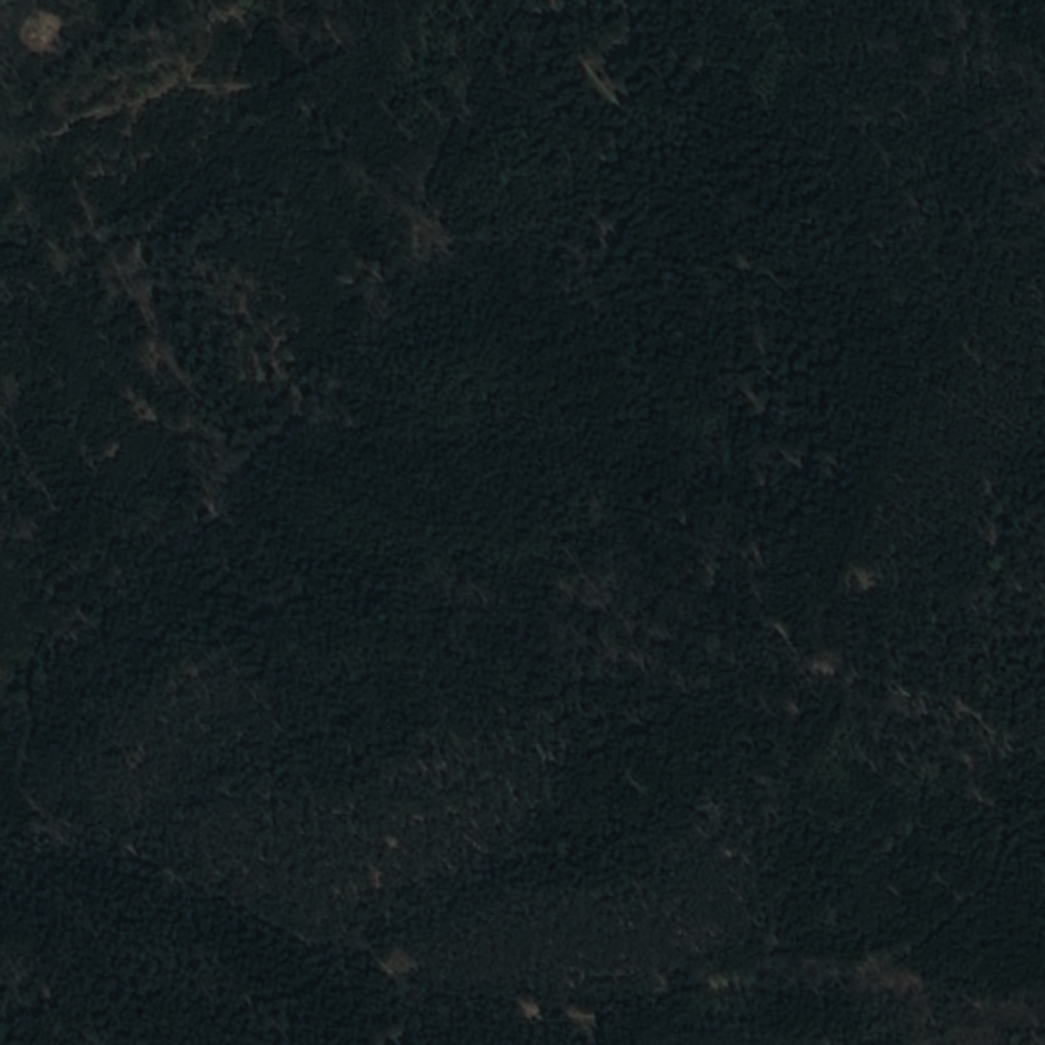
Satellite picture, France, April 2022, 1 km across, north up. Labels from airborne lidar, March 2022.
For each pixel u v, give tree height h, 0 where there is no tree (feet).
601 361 75
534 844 78
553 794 77
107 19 40
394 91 87
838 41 78
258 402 46
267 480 69
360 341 68
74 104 30
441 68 91
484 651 63
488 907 65
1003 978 34
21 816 75
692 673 81
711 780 81
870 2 70
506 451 73
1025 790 71
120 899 111
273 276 35
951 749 61
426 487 61
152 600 92
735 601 81
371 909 82
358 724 81
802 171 83
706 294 93
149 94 63
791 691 82
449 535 59
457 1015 97
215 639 45
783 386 72
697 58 78
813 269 78
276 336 21
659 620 97
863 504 92
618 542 71
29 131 55
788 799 68
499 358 59
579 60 87
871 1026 33
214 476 85
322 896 65
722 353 117
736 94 87
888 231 68
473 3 81
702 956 62
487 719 83
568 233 72
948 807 63
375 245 41
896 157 80
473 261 79
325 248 40
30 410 73
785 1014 62
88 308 35
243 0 82
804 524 81
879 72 77
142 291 102
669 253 89
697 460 79
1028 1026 28
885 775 65
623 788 71
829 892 27
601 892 75
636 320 64
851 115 71
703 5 73
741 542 91
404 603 83
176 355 42
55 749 75
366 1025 78
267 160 40
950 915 57
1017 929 61
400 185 69
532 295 72
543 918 63
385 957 81
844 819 67
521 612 81
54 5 76
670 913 62
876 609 81
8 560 38
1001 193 91
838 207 65
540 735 63
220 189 33
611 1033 81
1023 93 92
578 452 72
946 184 75
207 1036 80
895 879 59
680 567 77
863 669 87
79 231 68
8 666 28
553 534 54
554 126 78
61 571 62
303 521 80
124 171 24
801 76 65
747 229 87
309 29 33
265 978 79
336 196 42
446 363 73
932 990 39
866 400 95
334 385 83
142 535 78
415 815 44
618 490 86
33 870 64
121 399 52
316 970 85
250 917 96
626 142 88
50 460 72
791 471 84
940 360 80
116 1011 88
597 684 66
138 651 66
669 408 116
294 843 51
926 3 90
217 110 30
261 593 79
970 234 76
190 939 86
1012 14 68
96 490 55
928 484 75
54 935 69
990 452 76
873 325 78
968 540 83
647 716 91
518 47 89
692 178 115
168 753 72
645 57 92
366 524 64
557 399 71
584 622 82
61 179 70
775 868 79
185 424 54
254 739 71
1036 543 94
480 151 88
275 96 50
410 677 77
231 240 32
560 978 60
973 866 63
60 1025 88
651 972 60
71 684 76
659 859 65
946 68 66
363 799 58
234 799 65
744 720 85
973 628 92
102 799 47
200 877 75
